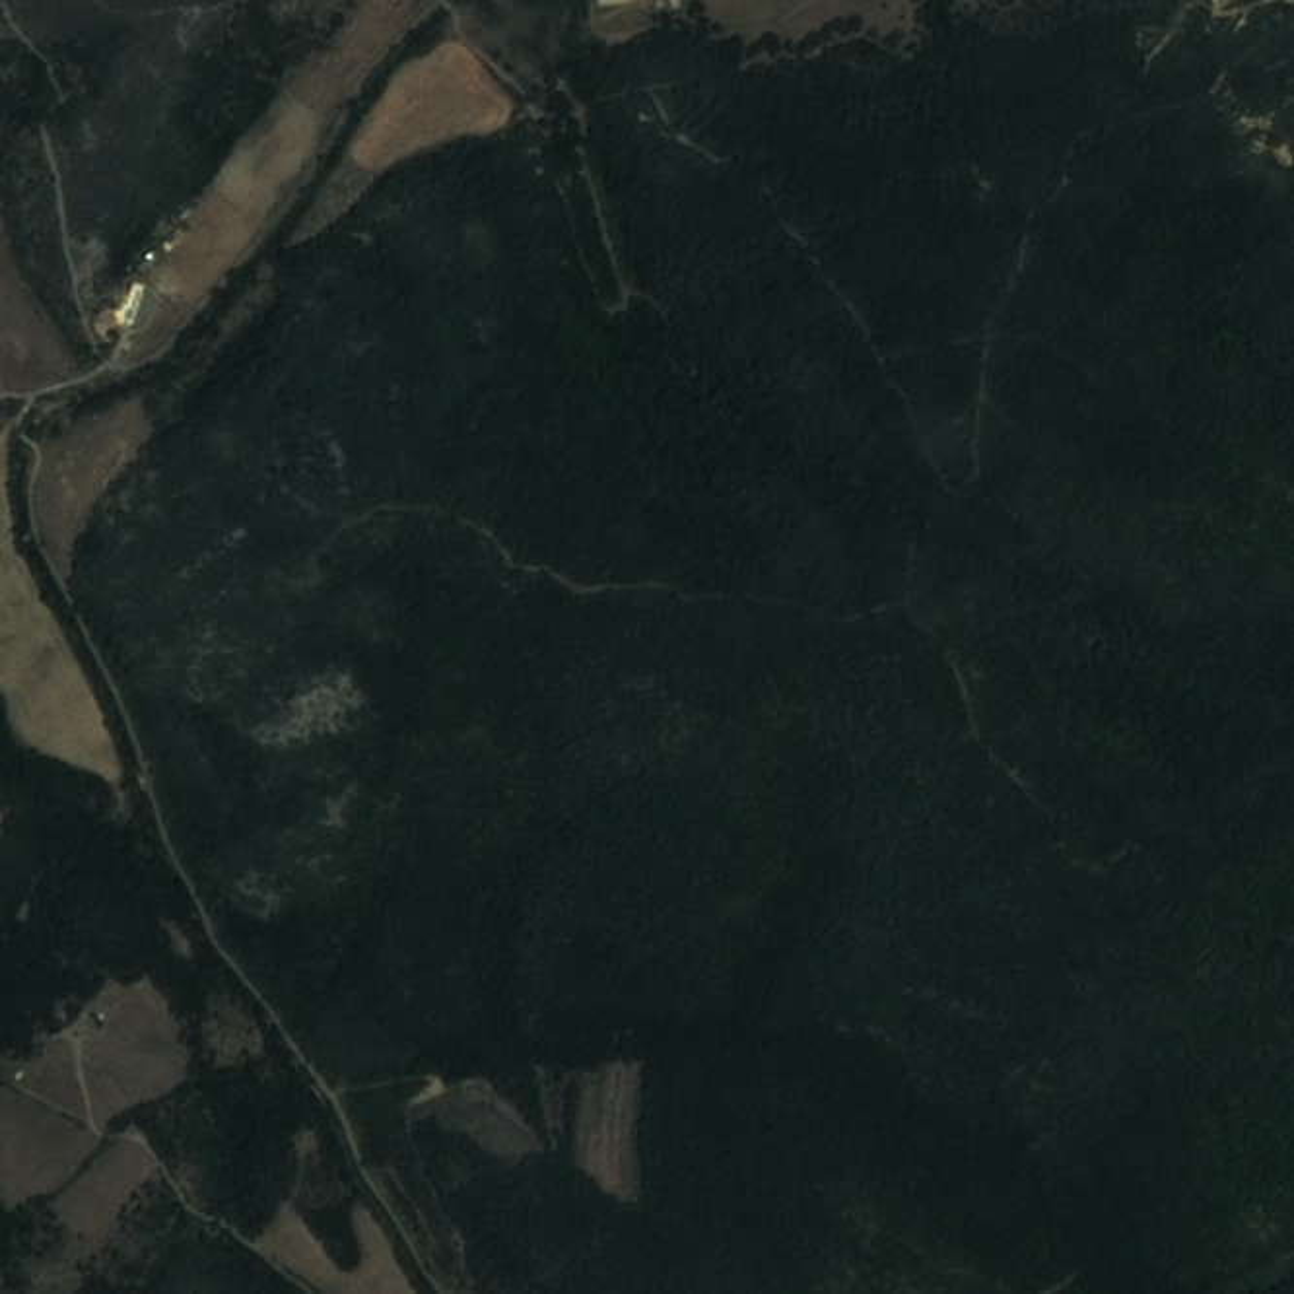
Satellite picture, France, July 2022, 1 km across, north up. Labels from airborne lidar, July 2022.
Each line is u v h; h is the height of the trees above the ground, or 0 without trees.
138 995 0
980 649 9
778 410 9
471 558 5
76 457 0
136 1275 7
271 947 9
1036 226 7
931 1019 7
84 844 10
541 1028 8
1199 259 14
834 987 6
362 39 0
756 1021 9
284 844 0
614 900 7
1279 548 7
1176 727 14
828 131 9
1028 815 7
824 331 5
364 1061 0
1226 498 9
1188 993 8
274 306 8
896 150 9
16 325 0
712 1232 6
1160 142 6
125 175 0
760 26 0
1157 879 9
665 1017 10
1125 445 6
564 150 12
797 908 12
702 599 6
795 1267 7
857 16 7
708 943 8
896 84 8
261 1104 10
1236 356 11
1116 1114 6
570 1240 6
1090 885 6
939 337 6
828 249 7
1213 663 12
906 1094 7
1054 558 12
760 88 8
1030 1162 7
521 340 10
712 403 14
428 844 7
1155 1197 8
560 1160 7
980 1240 8
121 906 9
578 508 7
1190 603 7
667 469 7
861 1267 6
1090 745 9
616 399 10
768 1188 6
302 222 0
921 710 8
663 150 7
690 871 6
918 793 8
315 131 0
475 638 6
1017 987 7
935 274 6
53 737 0
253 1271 8
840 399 5
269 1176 7
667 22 10
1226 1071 11
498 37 0
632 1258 8
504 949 8
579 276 7
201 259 0
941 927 6
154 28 0
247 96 8
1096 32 6
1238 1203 9
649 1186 9
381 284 6
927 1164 7
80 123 0
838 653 6
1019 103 5
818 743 9
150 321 0
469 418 7
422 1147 7
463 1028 9
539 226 9
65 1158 0
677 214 5
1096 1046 7
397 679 9
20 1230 7
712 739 7
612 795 10
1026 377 6
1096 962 7
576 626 6
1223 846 6
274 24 6
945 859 7
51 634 0
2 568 0
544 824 9
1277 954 14
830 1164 7
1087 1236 9
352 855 6
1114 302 8
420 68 0
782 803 10
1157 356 5
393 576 6
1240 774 7
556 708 6
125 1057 0
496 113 0
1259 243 8
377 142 0
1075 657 10
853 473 7
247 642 0
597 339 12
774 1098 8
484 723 8
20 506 6
